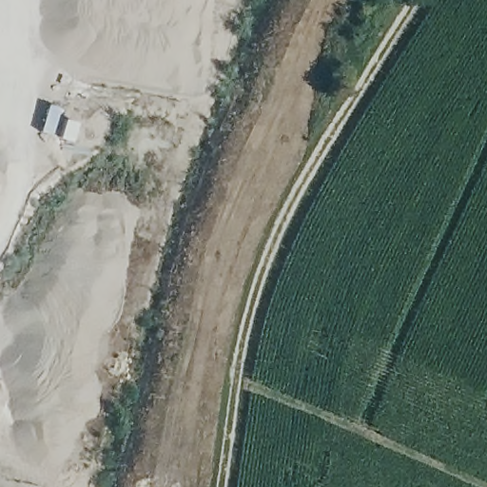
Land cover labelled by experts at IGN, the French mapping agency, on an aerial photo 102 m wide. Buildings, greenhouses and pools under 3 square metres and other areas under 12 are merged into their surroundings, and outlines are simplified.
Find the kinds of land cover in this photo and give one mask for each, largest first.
<instances>
[{"label":"agricultural land","instance_id":"1","mask_svg":"<svg viewBox=\"0 0 487 487\"><path fill-rule=\"evenodd\" d=\"M428 6L417 10L407 29L399 36L398 44L390 51L388 59L382 63L379 74L369 84V88L365 89L358 107L354 108L346 126L342 127L339 139L329 150L314 181L308 186L270 268L261 304L257 308L243 367L240 415L228 487H487V0H426Z\"/></svg>","mask_w":487,"mask_h":487},{"label":"pervious surface","instance_id":"2","mask_svg":"<svg viewBox=\"0 0 487 487\"><path fill-rule=\"evenodd\" d=\"M242 0H0V255L13 253L21 230L25 228L29 217L34 215V209L38 207L40 196L57 185L70 171L88 166L89 158L99 152V146L105 141L110 118L116 112L126 114L127 110H131L137 116H164L171 122V126L158 129L154 126L131 129L127 133V145L135 148V154L145 156V152H154L156 162L164 166L160 171L162 194L156 196L152 202L137 207L127 200L124 192L108 190L95 194L84 190L76 198V202L67 207L61 217L55 219L53 228L49 230L51 238L46 242L48 249L38 261L32 278H29L25 285H19L15 289L0 287V487H95L91 477L103 468L101 462L95 460V455H89V451H84V447H93V436L89 434L88 422L97 419L101 411L99 398L103 388L97 379L99 358L110 352V329L114 327V323L135 320L150 306L152 289L162 263L164 245L169 236V226L173 221V205L181 198L186 169L190 166V148L200 145L204 122L200 118L202 114H211L213 103L209 88L223 80L224 72H221L213 63L217 59L228 61L230 51L238 44V40L224 27V21L232 19L238 13ZM417 10V6H403L399 10L390 29L386 30L384 38L375 49L373 57L363 68L356 86H344L341 82V88L346 89L348 97L321 133L318 145L312 150L299 179L295 181L287 200L283 202L282 211L278 213L270 230L261 261L257 264L253 282L247 293L230 365L223 441L215 487H228L240 415L243 367L257 308L261 304L270 268L308 186L314 181L329 150L339 139L342 127L346 126L354 108L358 107L365 89L369 88V84L379 74L382 63L388 59L390 51L398 44L399 36L407 29ZM135 487H167V474H156L154 477L137 481Z\"/></svg>","mask_w":487,"mask_h":487},{"label":"herbaceous vegetation","instance_id":"3","mask_svg":"<svg viewBox=\"0 0 487 487\"><path fill-rule=\"evenodd\" d=\"M344 0H310L302 13L301 23L295 27V32L289 40V48L285 49L282 65L276 68L274 86L270 89L268 101L264 103L263 114L253 126L249 141L243 146L242 158L236 167V177L224 183L226 200L217 209L213 232L205 243L204 264L198 272L194 302L188 310L186 335L183 339L185 356L179 358L175 369L171 403L167 405L166 422L156 458V474H167V487H215L223 441L230 365L247 293L253 282L257 264L261 261L270 230L278 213L282 211L283 202L287 200L295 181L299 179L312 150L318 145L321 133L348 97L346 89L341 88L331 95L323 91H314L304 80V74L314 65L320 53L323 23L331 21L333 6ZM145 333L141 327H137L135 320L114 323V327L110 329V352L99 358L97 379L103 388L99 398L101 411L97 419L88 422L89 434L93 436V447H84V451H89V455H95V460L101 462L103 449L112 441L110 430L118 426L120 419L112 401L120 399L122 384L133 379L129 365L135 358H139Z\"/></svg>","mask_w":487,"mask_h":487},{"label":"brushwood","instance_id":"4","mask_svg":"<svg viewBox=\"0 0 487 487\"><path fill-rule=\"evenodd\" d=\"M310 0H268L261 17L253 25L251 38L238 40V44L230 51L228 61L217 59L213 63L221 72L224 68L238 65L242 93L236 97V101H230L228 105L221 101L213 103L211 114H202L200 118L204 122L200 145L190 148V166L186 169L181 198L173 205V221L169 226V236L164 245L162 263L152 289L150 306L158 316V323H154L145 333L139 358H135L129 365L133 379L139 382L141 398L133 415L126 453L116 466V481L112 487H135L137 481L154 477L156 474V458L166 422L167 405L171 403L175 369L179 358L185 356L183 339L186 335L188 310L194 302L198 272L204 264L205 243L213 232L217 209L226 200L224 183L236 177V167L242 158L243 146L249 141L253 126L263 114L264 103L268 101L270 89L274 86L276 68L282 65L285 49L289 48V40L295 32V27L301 23L302 13ZM131 129L154 126L158 129L171 126V122L164 116H137L131 110H127L126 114ZM164 166L156 162L154 152H145V156L135 154V148L127 145V141L118 145H108L105 141L99 146V152L89 158L88 166L70 171L57 185L40 196L38 207L34 209V215L29 217L25 228L21 230L13 253L0 255V287L15 289L19 285H25L29 278H32L38 261L48 249L46 242L51 238L49 230L53 228L55 219L61 217L67 207L76 202V198L84 190L95 194L108 190L124 192L127 200L137 207L152 202L156 196L162 194L160 171Z\"/></svg>","mask_w":487,"mask_h":487},{"label":"deciduous trees","instance_id":"5","mask_svg":"<svg viewBox=\"0 0 487 487\"><path fill-rule=\"evenodd\" d=\"M268 0H242L238 13L232 19L224 21V27L238 40L251 38L253 25L261 17ZM403 6H417V10L428 6L426 0H344L333 6L331 21L323 23L320 53L314 65L304 74V80L314 91H323L331 95L341 88V82L344 86H356L363 68L373 57L375 49L384 38L386 30L390 29L399 10ZM221 72H224L223 80L209 88L213 103L221 101L228 105L230 101H236V97L242 93L238 65L224 68ZM131 129L126 114L116 112L110 118L105 141L108 145H118L127 141V133ZM137 327H141L145 333L154 323H158V316L150 306L135 320ZM141 398L139 382L133 379L122 384L120 399L112 401L120 419L118 426L110 430L112 441L103 449L101 462L103 468L91 477L95 487H112L116 481V466L126 453L133 415Z\"/></svg>","mask_w":487,"mask_h":487}]
</instances>
